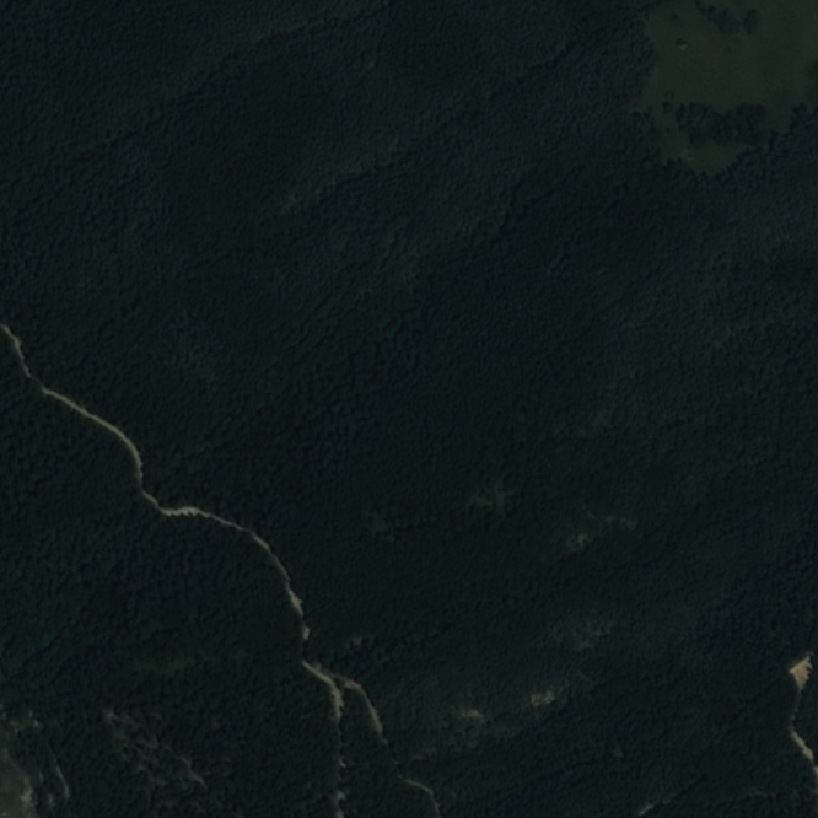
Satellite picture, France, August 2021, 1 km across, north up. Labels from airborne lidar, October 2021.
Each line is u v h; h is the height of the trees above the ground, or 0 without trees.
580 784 9
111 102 20
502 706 11
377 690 24
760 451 14
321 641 23
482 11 19
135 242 21
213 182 22
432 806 17
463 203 15
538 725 13
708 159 0
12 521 13
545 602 25
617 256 26
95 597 14
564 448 15
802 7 0
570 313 24
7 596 26
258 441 18
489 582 17
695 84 0
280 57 10
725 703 17
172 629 8
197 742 17
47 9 20
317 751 17
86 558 23
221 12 18
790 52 0
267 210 9
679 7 0
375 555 29
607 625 9
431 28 21
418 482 25
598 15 19
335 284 18
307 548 27
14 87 22
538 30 20
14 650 18
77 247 26
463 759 18
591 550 21
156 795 15
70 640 13
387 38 18
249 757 17
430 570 26
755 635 20
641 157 22
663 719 19
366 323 19
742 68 0
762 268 14
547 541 21
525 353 23
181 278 25
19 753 6
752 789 16
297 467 21
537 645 15
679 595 19
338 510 27
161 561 17
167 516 7
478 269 27
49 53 24
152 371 25
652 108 6
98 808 14
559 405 9
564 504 23
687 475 18
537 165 13
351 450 27
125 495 17
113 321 15
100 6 25
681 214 20
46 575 20
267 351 22
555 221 25
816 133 18
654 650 11
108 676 21
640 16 12
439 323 26
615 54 16
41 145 16
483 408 23
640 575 18
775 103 0
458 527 16
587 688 15
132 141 23
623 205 28
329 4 15
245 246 24
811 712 15
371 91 19
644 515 17
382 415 29
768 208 10
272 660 24
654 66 13
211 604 15
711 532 20
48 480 13
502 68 17
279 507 30
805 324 14
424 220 16
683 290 23
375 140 16
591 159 21
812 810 27
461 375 20
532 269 22
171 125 15
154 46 24
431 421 20
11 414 33
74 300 20
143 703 17
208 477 18
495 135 17
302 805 22
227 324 31
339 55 21
